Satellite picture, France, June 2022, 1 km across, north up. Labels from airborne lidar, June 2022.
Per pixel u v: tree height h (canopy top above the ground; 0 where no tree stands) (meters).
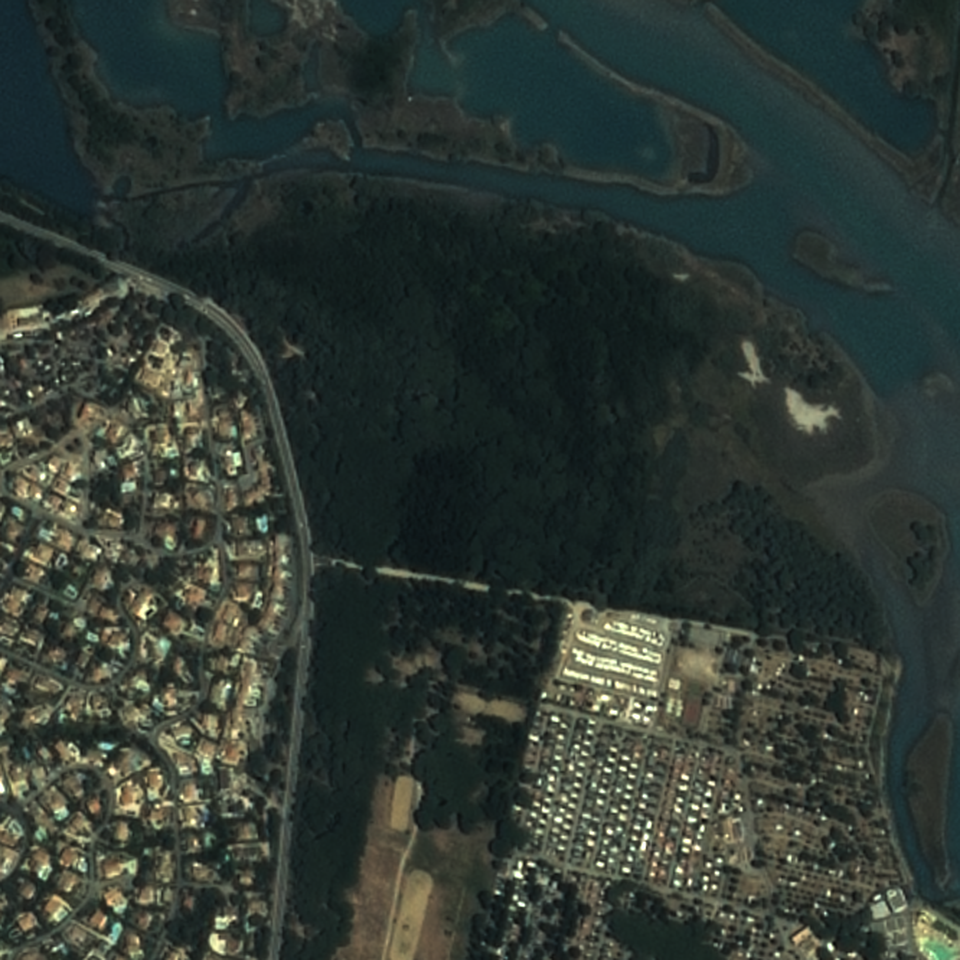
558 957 16
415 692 16
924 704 0
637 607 9
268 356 7
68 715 10
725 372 0
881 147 0
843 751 13
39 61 0
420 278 8
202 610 12
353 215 6
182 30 0
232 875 10
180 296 11
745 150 0
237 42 0
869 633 11
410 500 18
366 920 0
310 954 10
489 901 12
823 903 6
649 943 18
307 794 9
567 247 7
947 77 6
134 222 6
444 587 22
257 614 10
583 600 14
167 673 8
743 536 9
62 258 12
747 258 0
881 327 0
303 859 12
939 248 0
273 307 14
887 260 0
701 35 0
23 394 6
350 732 11
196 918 8
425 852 0
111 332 10
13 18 0
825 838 9
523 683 13
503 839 13
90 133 9
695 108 0
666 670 0
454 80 0
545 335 12
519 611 18
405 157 0
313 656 7
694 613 8
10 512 5
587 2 0
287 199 8
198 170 6
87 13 0
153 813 0
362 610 14
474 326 11
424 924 0
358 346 17
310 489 8
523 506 16
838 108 0
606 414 13
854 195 0
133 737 7
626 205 0
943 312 0
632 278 13
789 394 0
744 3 0
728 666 12
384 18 0
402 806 0
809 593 14
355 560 14
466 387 17
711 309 0
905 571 0
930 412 0
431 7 0
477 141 6
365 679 12
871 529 0
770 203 0
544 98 0
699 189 0
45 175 0
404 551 20
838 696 11
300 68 7
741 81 0
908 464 0
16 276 0
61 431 7
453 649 13
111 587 7
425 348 17
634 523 11
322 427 14
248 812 6
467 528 17
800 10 0
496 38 0
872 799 14
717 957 16
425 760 15
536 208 6
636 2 0
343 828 16
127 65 0
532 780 15
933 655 0
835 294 0
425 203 10
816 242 0
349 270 12
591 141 0
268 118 0
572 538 11
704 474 0
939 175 0
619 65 0
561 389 10
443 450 14
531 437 16
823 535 0
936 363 0
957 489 0
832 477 0
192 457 7
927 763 0
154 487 7
